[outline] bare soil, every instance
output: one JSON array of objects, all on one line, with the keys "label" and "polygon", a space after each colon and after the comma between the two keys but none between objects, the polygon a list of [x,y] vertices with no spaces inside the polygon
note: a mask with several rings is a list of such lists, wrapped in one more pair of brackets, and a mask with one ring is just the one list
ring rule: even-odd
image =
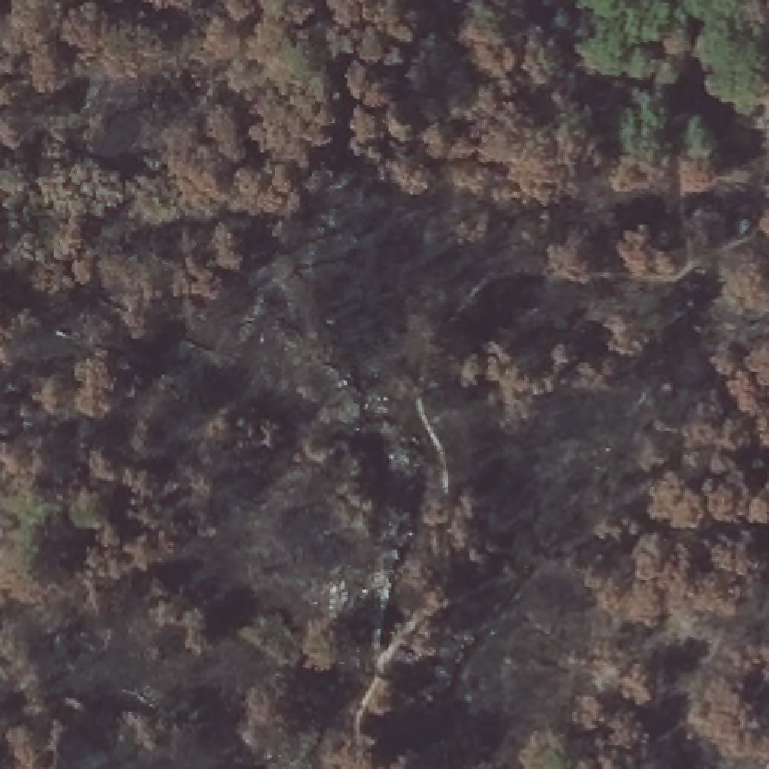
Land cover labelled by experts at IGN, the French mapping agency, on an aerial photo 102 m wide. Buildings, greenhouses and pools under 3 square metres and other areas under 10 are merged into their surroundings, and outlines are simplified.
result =
[{"label": "bare soil", "polygon": [[72,366],[18,375],[12,363],[0,363],[0,451],[9,451],[18,463],[42,457],[42,472],[36,475],[33,487],[36,496],[69,490],[75,496],[90,493],[96,517],[108,520],[117,538],[126,538],[129,544],[141,538],[147,550],[147,565],[159,571],[159,586],[174,595],[174,604],[168,610],[198,610],[201,637],[213,646],[207,655],[198,655],[189,667],[171,670],[168,676],[156,676],[153,670],[147,670],[141,658],[141,643],[123,622],[99,622],[93,613],[69,601],[60,601],[60,628],[51,628],[45,634],[42,625],[36,625],[24,634],[24,649],[27,661],[36,670],[42,709],[57,715],[63,727],[57,751],[69,760],[69,769],[324,769],[321,745],[327,739],[354,733],[351,706],[363,697],[366,685],[372,682],[372,631],[381,631],[381,643],[388,646],[394,628],[406,622],[400,613],[400,598],[412,589],[406,583],[406,565],[421,544],[430,544],[421,529],[424,496],[448,496],[448,490],[472,496],[472,517],[466,523],[463,547],[457,547],[451,556],[439,556],[436,565],[424,571],[436,595],[445,598],[445,607],[430,616],[433,655],[415,664],[391,661],[385,679],[388,691],[381,697],[388,703],[388,712],[369,712],[363,718],[363,733],[372,736],[369,766],[388,769],[523,769],[520,751],[532,730],[553,727],[571,703],[583,700],[586,694],[601,694],[607,688],[616,688],[649,709],[655,736],[634,754],[634,763],[640,769],[769,769],[769,739],[754,742],[757,718],[748,715],[748,706],[724,682],[712,679],[712,667],[721,649],[721,631],[715,628],[715,616],[658,613],[652,625],[640,625],[604,613],[598,604],[589,607],[571,592],[547,598],[544,610],[526,607],[529,574],[544,559],[550,559],[550,550],[556,544],[571,541],[583,532],[583,496],[616,472],[619,451],[628,451],[628,445],[616,442],[613,433],[595,418],[574,412],[571,403],[553,403],[538,421],[538,427],[526,421],[520,430],[502,430],[499,424],[505,415],[505,397],[496,381],[487,378],[487,345],[502,345],[514,357],[517,375],[529,381],[544,378],[550,372],[553,348],[565,348],[565,354],[574,354],[592,369],[598,369],[610,351],[610,330],[604,327],[604,318],[625,315],[652,339],[658,369],[700,381],[706,372],[715,369],[715,354],[733,354],[748,339],[763,336],[763,315],[769,312],[769,291],[763,288],[763,276],[751,249],[757,249],[763,234],[760,219],[769,216],[769,93],[751,111],[745,111],[745,117],[766,135],[766,153],[760,159],[745,162],[736,171],[709,171],[706,192],[682,192],[682,186],[667,186],[661,195],[610,189],[586,201],[562,195],[559,201],[499,204],[493,198],[481,198],[478,192],[454,189],[451,180],[433,192],[406,192],[394,180],[378,180],[375,162],[360,156],[354,168],[339,171],[336,186],[321,201],[297,204],[297,210],[291,213],[291,228],[285,231],[285,249],[276,261],[261,267],[258,261],[246,261],[246,273],[225,288],[225,309],[213,324],[192,330],[186,327],[186,321],[171,321],[162,336],[141,336],[117,360],[105,357],[105,372],[111,378],[105,400],[111,412],[102,418],[75,412],[75,394],[81,381],[75,378]]}]

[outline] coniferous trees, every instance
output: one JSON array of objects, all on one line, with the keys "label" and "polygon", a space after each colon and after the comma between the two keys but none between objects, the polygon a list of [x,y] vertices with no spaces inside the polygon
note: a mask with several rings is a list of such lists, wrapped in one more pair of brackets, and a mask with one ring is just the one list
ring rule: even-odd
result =
[{"label": "coniferous trees", "polygon": [[595,418],[613,433],[616,442],[628,445],[628,451],[619,451],[616,472],[583,496],[583,532],[571,541],[556,544],[550,550],[550,559],[544,559],[529,574],[526,607],[544,610],[547,598],[571,592],[589,607],[598,604],[604,613],[640,625],[652,625],[658,613],[715,616],[715,628],[721,631],[721,649],[712,667],[712,679],[724,682],[748,706],[748,715],[757,718],[754,742],[769,739],[769,312],[763,315],[763,336],[748,339],[733,354],[715,354],[715,369],[706,372],[700,381],[658,369],[652,339],[625,315],[604,318],[604,327],[610,330],[610,351],[598,369],[592,369],[574,354],[565,354],[565,348],[553,348],[550,372],[544,378],[529,381],[517,375],[514,357],[502,345],[487,345],[487,378],[496,381],[505,397],[505,415],[499,424],[502,430],[520,430],[526,421],[538,427],[538,421],[553,403],[571,403],[574,412]]},{"label": "coniferous trees", "polygon": [[763,288],[769,291],[769,216],[760,219],[763,234],[757,249],[751,249],[763,276]]},{"label": "coniferous trees", "polygon": [[159,586],[159,571],[147,565],[147,550],[141,538],[129,544],[126,538],[117,538],[108,520],[96,517],[90,493],[75,496],[69,490],[36,496],[33,487],[36,475],[42,472],[42,457],[18,463],[9,451],[0,451],[0,769],[69,769],[69,760],[57,751],[63,727],[57,715],[42,709],[36,670],[27,661],[24,649],[24,634],[36,625],[42,625],[45,634],[51,628],[60,628],[60,601],[69,601],[93,613],[99,622],[123,622],[141,643],[141,658],[147,670],[153,670],[156,676],[168,676],[171,670],[189,667],[198,655],[207,655],[213,646],[201,637],[198,610],[168,610],[174,604],[174,595]]},{"label": "coniferous trees", "polygon": [[709,171],[736,171],[745,162],[760,159],[766,153],[766,135],[745,117],[745,111],[751,111],[769,93],[769,0],[0,0],[0,363],[12,363],[18,375],[72,366],[75,378],[81,381],[75,394],[75,412],[102,418],[111,412],[105,400],[111,378],[105,372],[105,357],[117,360],[141,336],[162,336],[171,321],[186,321],[186,327],[192,330],[213,324],[225,309],[225,288],[246,273],[246,261],[258,261],[261,267],[276,261],[285,249],[285,231],[291,228],[291,213],[297,210],[297,204],[321,201],[336,186],[339,171],[354,168],[360,156],[375,162],[378,180],[394,180],[406,192],[433,192],[451,180],[454,189],[478,192],[481,198],[493,198],[499,204],[559,201],[562,195],[586,201],[610,189],[661,195],[667,186],[682,186],[682,192],[706,192]]},{"label": "coniferous trees", "polygon": [[649,709],[616,688],[607,688],[601,694],[586,694],[583,700],[571,703],[553,727],[532,730],[520,751],[523,769],[640,769],[634,763],[634,754],[655,736]]},{"label": "coniferous trees", "polygon": [[430,616],[445,607],[445,598],[436,595],[424,571],[436,565],[439,556],[451,556],[457,547],[463,547],[466,523],[472,517],[472,496],[448,490],[448,496],[424,496],[421,529],[430,544],[421,544],[406,565],[406,583],[412,589],[400,598],[400,613],[406,622],[394,628],[388,646],[381,643],[381,631],[372,631],[372,682],[366,685],[363,697],[351,706],[354,733],[327,739],[321,745],[324,769],[388,769],[369,766],[372,736],[363,733],[363,718],[369,712],[388,712],[388,703],[381,697],[388,691],[385,679],[391,661],[415,664],[433,655]]}]

